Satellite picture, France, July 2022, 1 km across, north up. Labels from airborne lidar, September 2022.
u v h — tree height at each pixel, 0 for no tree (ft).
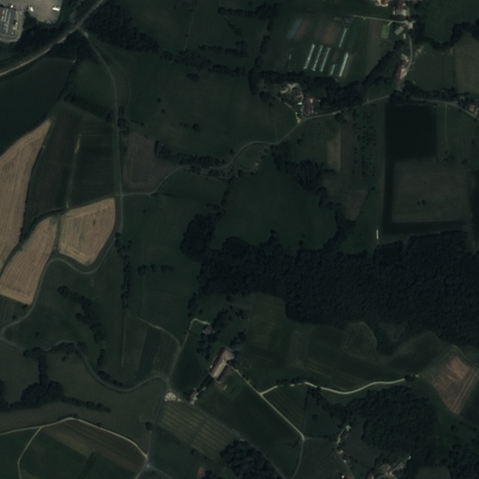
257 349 0
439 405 0
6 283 0
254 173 36
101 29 49
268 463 82
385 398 55
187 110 0
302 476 0
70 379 0
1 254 0
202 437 0
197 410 0
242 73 67
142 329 0
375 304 47
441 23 0
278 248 93
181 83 0
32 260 0
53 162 0
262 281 86
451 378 0
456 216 0
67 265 0
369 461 0
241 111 0
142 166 0
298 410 0
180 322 0
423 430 33
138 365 0
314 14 0
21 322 0
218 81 0
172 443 0
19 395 0
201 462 0
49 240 0
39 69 0
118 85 0
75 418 33
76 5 52
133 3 0
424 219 0
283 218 0
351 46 0
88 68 0
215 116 0
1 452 0
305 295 72
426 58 0
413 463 62
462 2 0
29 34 57
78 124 0
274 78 70
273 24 54
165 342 0
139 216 0
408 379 44
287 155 22
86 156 0
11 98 0
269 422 0
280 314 0
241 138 0
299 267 102
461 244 62
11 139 0
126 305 27
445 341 35
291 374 0
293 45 0
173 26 0
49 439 0
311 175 99
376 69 39
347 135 0
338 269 84
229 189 17
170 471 0
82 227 0
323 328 0
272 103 27
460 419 0
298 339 0
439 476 0
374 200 0
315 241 0
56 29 31
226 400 0
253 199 0
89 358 0
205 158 46
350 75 0
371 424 36
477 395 0
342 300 30
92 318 56
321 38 0
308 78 72
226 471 0
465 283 73
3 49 19
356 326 0
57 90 0
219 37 0
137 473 0
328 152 0
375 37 0
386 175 0
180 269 0
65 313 0
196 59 73
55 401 20
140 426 0
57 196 0
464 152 0
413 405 69
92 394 0
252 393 0
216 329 57
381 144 0
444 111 0
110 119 38
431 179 0
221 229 0
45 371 38
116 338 0
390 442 49
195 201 0
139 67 0
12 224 0
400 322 34
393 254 37
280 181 0
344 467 0
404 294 57
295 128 0
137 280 0
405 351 0
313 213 0
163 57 23
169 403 0
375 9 0
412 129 0
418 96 47
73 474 0
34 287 0
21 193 0
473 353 0
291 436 0
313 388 18
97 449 0
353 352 0
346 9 0
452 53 0
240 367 55
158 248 0
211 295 36
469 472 79
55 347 37
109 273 0
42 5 0
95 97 0
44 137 0
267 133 0
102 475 0
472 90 0
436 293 91
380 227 0
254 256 107
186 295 0
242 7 0
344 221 77
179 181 0
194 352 0
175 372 0
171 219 0
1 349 0
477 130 0
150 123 0
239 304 0
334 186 0
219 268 43
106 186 0
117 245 35
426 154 0
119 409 0
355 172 32
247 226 0
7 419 0
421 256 95
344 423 30
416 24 38
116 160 0
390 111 0
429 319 53
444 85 0
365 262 88
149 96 0
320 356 0
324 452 0
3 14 0
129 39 47
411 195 0
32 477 0
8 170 0
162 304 0
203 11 0
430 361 0
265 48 52
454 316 44
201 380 0
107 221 0
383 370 0
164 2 0
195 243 26
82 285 0
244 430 0
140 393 0
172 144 0
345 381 0
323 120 0
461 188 0
